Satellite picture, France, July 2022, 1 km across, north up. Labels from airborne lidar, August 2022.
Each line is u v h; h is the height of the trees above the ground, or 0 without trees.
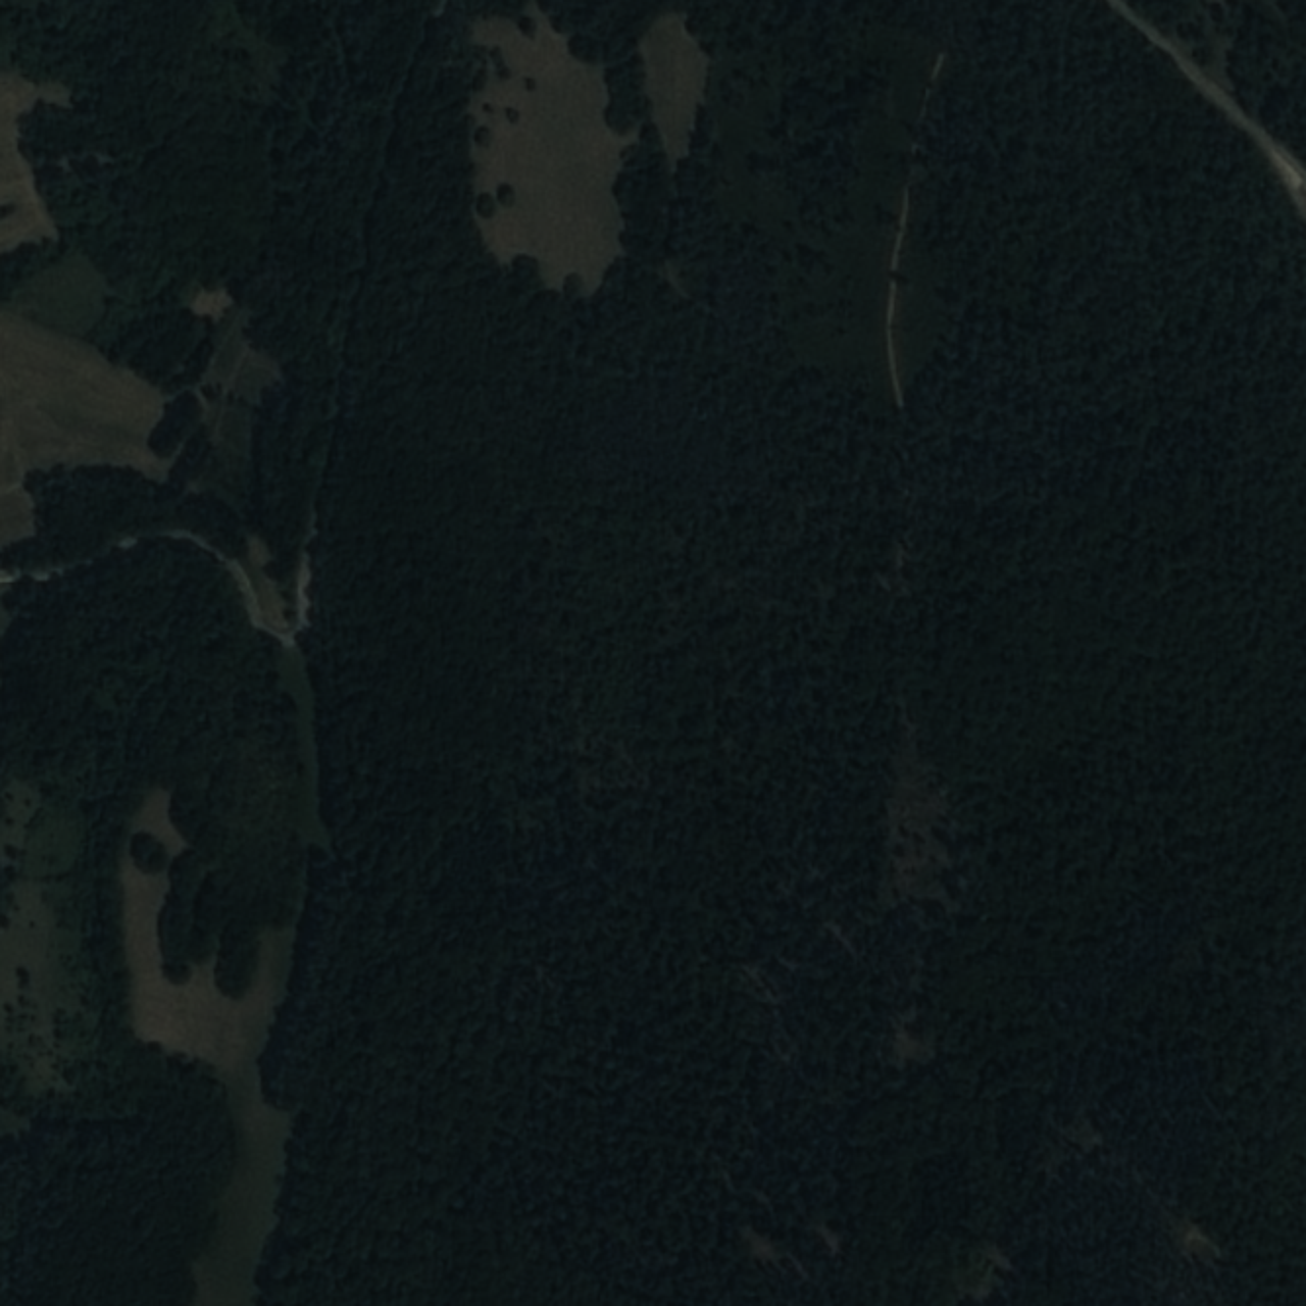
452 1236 21
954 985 16
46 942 0
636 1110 19
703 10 10
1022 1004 13
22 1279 28
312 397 19
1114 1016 17
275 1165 0
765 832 20
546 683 14
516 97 0
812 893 17
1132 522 18
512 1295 21
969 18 17
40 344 0
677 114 0
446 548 14
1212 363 15
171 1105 20
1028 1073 17
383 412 18
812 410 15
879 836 15
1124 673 17
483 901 15
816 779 14
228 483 13
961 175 12
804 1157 19
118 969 17
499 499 13
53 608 16
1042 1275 18
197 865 12
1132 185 20
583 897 19
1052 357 22
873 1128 18
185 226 20
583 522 6
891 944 19
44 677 18
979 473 21
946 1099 17
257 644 17
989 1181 16
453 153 9
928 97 12
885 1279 16
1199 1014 12
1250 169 10
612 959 22
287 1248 26
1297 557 13
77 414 0
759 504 12
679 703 16
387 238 18
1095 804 17
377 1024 21
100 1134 29
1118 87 22
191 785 18
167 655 17
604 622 7
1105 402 21
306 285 17
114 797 17
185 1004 0
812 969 18
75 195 8
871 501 18
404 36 19
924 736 15
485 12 5
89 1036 7
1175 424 22
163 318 15
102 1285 20
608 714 9
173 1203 20
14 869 7
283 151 17
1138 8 14
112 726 10
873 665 17
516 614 19
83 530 23
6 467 0
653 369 10
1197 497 16
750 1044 14
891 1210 16
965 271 11
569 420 13
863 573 13
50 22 8
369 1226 19
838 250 0
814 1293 23
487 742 18
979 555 17
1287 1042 12
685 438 13
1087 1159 26
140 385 0
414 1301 19
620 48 15
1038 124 21
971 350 20
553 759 16
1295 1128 11
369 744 17
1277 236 18
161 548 19
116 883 7
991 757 15
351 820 28
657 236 11
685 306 10
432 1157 17
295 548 9
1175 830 20
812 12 19
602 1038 16
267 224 19
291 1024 23
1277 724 7
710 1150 16
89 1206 20
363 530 19
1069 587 20
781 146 15
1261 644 16
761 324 18
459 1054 15
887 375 0
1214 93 0
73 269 0
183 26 13
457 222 14
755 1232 17
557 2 9
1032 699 17
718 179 13
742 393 13
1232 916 13
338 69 12
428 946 21
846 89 20
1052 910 19
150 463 0
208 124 16
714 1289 23
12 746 14
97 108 17
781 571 12
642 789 7
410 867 16
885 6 16
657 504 13
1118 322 22
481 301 11
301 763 20
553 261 0
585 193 0
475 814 17
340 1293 22
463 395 18
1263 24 15
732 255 17
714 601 11
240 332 0
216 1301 0
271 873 20
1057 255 22
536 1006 15
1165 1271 25
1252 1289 8
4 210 7
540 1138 17
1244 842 11
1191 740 13
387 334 10
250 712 25
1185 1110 19
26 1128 0
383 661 23
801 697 13
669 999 14
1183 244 21
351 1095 22
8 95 0
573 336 18
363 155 13
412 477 15
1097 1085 17
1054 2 19
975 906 16
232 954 17
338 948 23
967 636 20
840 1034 14
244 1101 0
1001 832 16
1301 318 17
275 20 13
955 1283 20
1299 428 15
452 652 12
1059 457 18
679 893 15
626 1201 19
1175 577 11
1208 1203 18
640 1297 19
